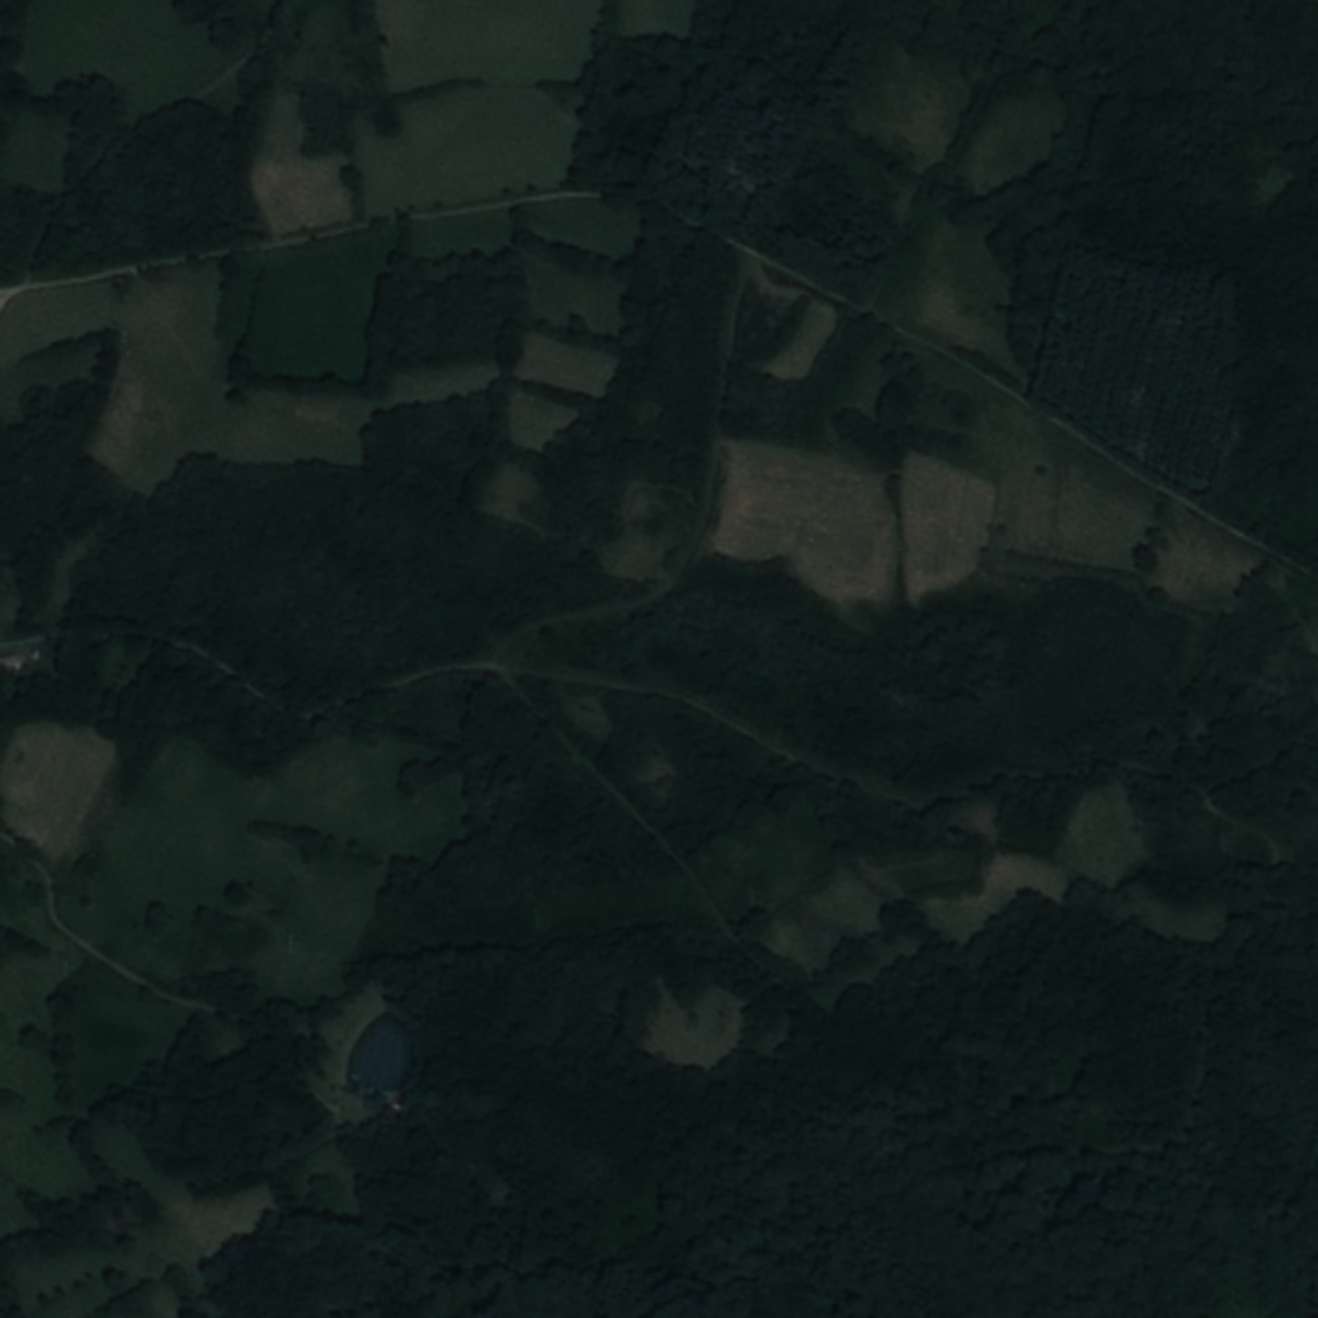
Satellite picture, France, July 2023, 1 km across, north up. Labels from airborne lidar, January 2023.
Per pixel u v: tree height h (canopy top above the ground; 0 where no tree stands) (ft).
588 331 30
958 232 0
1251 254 29
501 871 64
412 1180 59
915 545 0
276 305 0
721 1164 28
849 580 0
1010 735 39
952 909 0
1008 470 0
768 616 18
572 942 28
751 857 0
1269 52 36
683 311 41
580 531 37
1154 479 33
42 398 37
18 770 0
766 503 0
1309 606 0
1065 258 51
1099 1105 32
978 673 45
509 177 0
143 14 0
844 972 44
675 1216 68
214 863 0
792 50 21
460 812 0
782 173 82
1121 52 61
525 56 0
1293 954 62
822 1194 69
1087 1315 47
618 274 37
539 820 35
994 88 27
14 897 0
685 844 28
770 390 39
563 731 23
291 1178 21
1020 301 51
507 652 0
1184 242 29
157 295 0
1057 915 52
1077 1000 72
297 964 0
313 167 0
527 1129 46
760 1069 45
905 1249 68
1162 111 47
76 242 45
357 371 0
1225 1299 23
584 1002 80
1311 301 23
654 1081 65
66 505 28
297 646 45
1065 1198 51
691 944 23
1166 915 0
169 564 25
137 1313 36
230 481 29
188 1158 31
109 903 0
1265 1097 21
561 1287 70
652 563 0
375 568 29
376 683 29
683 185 77
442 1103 50
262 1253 76
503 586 17
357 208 20
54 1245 48
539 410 0
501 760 19
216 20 31
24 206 39
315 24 0
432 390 0
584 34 0
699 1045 0
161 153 40
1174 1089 39
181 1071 61
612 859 31
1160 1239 54
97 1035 0
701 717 26
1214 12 56
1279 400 18
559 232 0
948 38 60
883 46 56
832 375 26
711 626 40
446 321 38
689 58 69
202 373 0
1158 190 50
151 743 37
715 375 31
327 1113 26
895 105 0
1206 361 69
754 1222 55
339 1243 98
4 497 31
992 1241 91
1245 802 38
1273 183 0
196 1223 0
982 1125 54
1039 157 0
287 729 31
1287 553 37
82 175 19
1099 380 75
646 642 31
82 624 50
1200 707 35
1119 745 35
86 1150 47
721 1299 84
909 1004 55
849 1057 68
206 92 0
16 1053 0
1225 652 21
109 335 35
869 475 0
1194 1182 49
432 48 0
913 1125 55
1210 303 59
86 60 0
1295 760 50
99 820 0
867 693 28
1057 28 39
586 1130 51
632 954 51
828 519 0
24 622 37
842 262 74
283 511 27
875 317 40
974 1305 74
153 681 43
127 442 0
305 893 0
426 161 0
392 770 0
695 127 59
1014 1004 49
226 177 24
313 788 0
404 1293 59
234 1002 30
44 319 0
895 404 62
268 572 36
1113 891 57
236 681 43
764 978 41
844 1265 69
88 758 0
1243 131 46
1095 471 0
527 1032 72
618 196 43
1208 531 0
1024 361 45
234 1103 62
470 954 54
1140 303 58
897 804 22
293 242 36
